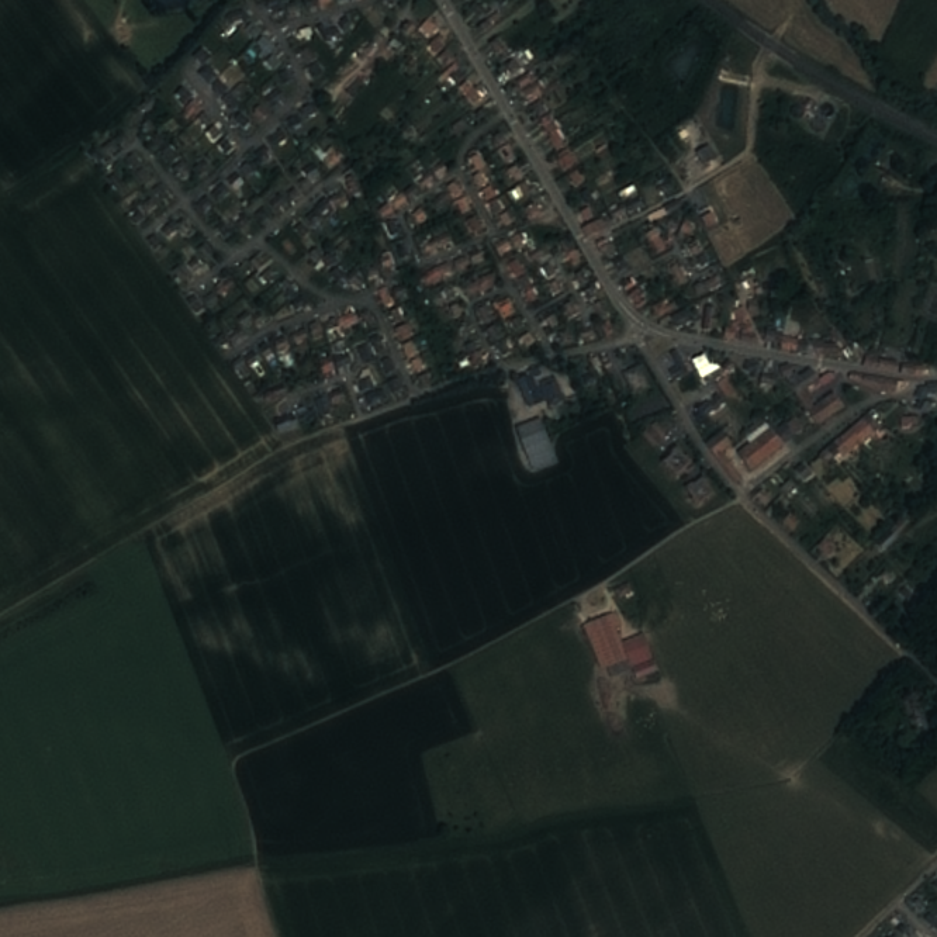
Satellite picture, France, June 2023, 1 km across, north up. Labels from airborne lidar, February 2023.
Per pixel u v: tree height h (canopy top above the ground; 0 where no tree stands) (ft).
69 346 0
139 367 0
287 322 0
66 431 0
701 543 0
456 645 0
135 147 0
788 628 0
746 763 0
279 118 0
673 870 0
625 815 0
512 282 0
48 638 0
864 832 0
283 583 0
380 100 0
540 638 0
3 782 0
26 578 0
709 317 0
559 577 0
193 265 0
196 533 0
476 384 40
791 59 0
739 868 0
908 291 0
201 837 0
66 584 0
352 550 0
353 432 0
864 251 0
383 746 0
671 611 0
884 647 0
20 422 0
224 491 0
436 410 0
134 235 0
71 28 0
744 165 0
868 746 47
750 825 0
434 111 0
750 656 0
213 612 0
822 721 0
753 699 0
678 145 22
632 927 0
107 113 0
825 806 0
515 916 0
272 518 0
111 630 0
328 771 0
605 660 0
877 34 0
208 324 27
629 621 0
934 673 73
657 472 0
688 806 0
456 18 0
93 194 0
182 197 0
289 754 0
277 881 0
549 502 0
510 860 0
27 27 0
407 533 0
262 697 0
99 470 0
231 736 0
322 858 0
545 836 0
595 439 0
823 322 0
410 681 0
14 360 0
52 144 0
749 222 0
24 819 0
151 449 0
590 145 0
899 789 0
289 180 0
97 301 0
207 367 0
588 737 0
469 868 0
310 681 0
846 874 0
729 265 0
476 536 0
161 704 0
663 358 0
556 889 0
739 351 0
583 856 0
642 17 22
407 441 0
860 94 0
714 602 0
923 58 0
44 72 0
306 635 0
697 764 0
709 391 0
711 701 0
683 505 0
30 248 0
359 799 0
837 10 0
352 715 0
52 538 0
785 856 0
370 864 0
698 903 0
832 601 0
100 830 0
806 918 0
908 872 0
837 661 0
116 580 0
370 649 0
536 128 0
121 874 0
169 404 0
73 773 0
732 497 26
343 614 0
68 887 0
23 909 0
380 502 0
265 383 22
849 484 0
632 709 0
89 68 0
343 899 0
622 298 0
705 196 0
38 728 0
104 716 0
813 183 0
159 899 0
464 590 0
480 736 0
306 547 0
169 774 0
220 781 0
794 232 52
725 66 0
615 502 0
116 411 0
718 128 0
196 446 0
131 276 0
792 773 0
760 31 0
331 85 0
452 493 0
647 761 0
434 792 0
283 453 0
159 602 0
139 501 0
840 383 0
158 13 108
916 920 0
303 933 0
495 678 0
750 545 0
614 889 0
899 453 0
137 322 0
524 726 0
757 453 0
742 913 0
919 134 0
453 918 0
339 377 0
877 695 64
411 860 0
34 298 0
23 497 0
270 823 0
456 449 0
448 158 0
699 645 0
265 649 0
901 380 0
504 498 0
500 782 0
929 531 0
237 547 0
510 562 0
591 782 0
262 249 0
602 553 0
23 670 0
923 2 0
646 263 0
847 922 0
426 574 0
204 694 0
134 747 0
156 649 0
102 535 0
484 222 0
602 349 0
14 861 0
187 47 56
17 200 0
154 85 53
